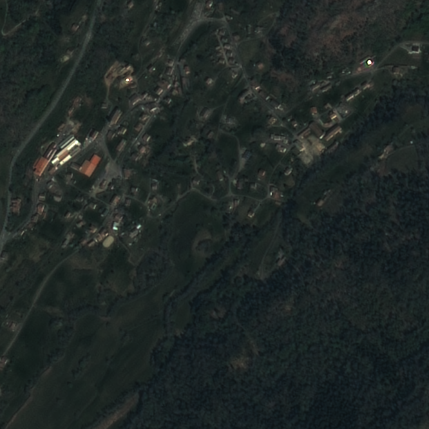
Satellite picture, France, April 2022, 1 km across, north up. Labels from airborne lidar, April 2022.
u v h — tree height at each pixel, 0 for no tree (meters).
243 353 23
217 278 0
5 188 0
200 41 6
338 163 11
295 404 27
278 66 9
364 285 22
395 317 15
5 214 0
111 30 29
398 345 12
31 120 20
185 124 0
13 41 24
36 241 0
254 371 24
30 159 10
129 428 24
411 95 25
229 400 21
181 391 23
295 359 19
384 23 27
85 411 0
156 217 0
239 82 0
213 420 23
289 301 11
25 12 7
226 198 0
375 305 12
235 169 18
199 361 26
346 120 0
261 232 15
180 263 0
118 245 0
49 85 7
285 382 21
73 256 0
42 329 0
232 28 0
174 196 0
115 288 0
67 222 0
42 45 12
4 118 19
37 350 0
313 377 25
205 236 0
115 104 0
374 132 19
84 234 0
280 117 0
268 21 0
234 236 16
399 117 26
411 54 0
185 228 0
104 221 0
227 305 23
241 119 0
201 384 15
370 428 24
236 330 22
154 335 0
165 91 0
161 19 0
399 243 21
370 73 0
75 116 0
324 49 7
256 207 0
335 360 9
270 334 22
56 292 0
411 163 0
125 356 0
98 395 0
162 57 0
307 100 0
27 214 7
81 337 0
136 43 0
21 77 26
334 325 27
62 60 0
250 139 0
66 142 0
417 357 23
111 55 32
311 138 0
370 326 6
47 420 0
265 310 17
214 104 0
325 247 18
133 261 0
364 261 19
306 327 23
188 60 0
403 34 26
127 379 0
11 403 0
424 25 24
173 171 15
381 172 0
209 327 14
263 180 0
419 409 27
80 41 0
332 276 14
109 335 0
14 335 0
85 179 0
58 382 0
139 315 0
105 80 22
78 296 0
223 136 0
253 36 0
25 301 0
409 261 25
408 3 26
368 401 29
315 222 0
